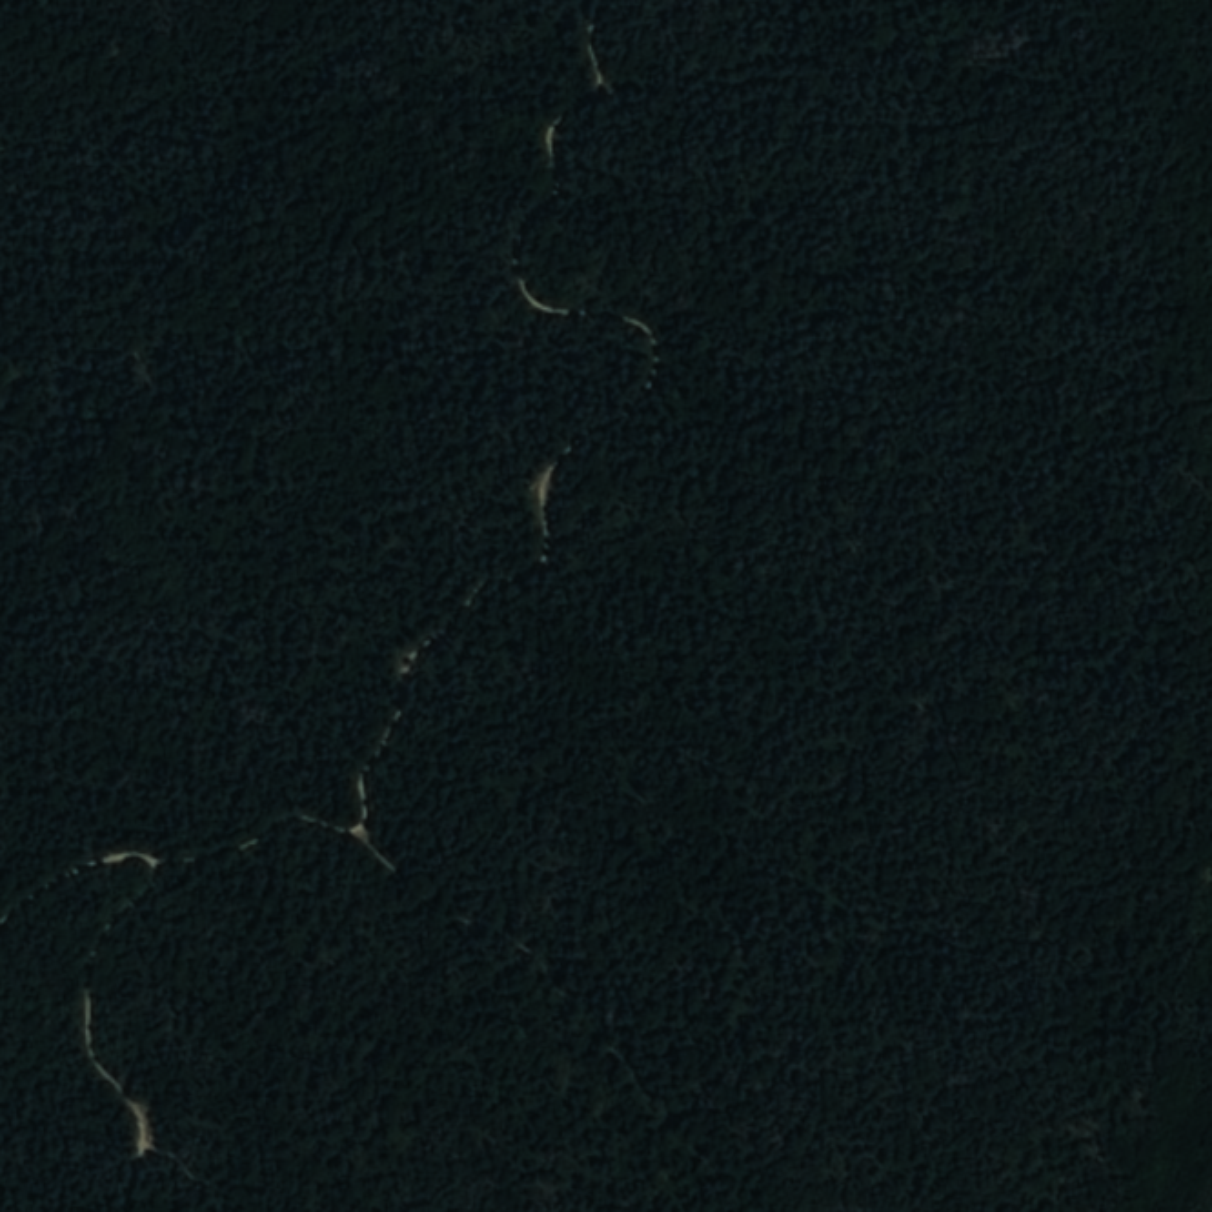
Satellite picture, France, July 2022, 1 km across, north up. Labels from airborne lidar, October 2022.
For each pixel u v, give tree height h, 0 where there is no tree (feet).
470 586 67
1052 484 99
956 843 52
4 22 56
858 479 67
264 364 76
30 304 68
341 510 34
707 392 34
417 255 67
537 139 19
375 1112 52
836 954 93
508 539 49
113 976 21
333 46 46
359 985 54
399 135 34
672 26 75
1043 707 50
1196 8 46
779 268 87
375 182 31
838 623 32
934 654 70
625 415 51
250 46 84
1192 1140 62
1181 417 53
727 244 78
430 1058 58
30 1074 46
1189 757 67
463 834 59
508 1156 46
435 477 32
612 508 57
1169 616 60
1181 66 42
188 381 75
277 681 66
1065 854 41
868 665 73
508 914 22
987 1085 67
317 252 61
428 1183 45
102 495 33
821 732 42
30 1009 32
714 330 35
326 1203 44
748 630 47
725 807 56
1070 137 73
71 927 28
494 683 69
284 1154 64
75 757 23
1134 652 63
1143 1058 77
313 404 60
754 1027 73
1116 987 82
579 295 32
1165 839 51
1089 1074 24
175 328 71
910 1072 54
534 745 43
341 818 69
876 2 75
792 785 75
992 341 38
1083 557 65
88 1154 39
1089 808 53
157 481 49
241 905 57
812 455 66
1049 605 85
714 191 51
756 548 71
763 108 97
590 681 35
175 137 25
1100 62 78
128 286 46
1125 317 92
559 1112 51
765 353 35
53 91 47
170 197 31
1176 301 38
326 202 55
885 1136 42
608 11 71
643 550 35
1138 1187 43
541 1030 42
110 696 52
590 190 111
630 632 40
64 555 24
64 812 21
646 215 89
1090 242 61
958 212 69
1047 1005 78
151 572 53
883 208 59
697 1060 79
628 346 24
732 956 42
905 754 68
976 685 45
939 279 24
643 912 52
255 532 26
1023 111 80
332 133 51
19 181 53
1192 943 52
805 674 75
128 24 28
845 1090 60
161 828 45
